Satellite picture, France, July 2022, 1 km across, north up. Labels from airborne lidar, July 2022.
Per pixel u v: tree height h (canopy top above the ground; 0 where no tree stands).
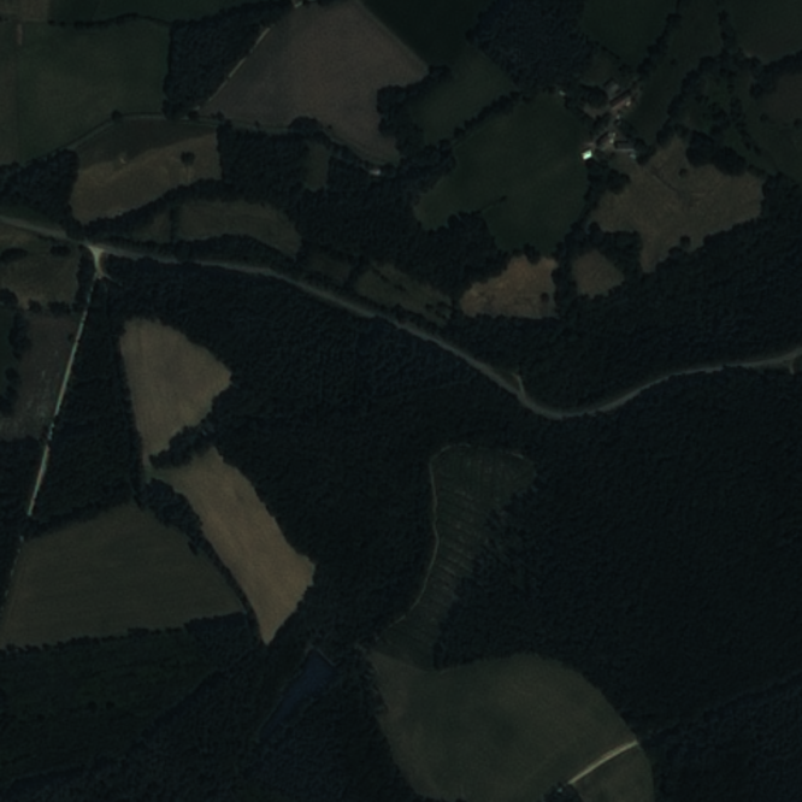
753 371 13
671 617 23
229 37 22
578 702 0
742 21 0
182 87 22
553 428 20
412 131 18
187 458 21
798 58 15
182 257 17
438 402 18
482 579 19
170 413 0
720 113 16
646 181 0
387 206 19
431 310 7
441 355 27
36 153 0
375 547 16
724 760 25
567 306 12
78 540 0
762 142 0
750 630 22
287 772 21
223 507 0
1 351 0
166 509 18
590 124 13
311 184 0
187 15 0
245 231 0
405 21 0
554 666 0
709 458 21
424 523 19
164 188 0
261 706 18
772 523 20
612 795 0
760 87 13
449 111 0
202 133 0
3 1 0
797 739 34
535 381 18
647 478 20
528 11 27
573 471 16
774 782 21
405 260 20
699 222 0
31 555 0
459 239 22
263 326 26
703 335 17
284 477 18
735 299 21
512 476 0
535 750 0
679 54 0
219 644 27
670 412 16
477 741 0
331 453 23
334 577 16
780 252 15
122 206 0
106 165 0
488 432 16
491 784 0
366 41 0
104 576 0
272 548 0
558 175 0
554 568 22
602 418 16
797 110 0
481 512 0
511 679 0
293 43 0
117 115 12
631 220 0
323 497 18
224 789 23
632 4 0
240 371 15
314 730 14
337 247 7
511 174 0
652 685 26
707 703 25
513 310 0
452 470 0
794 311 15
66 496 10
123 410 9
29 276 0
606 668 22
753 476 22
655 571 19
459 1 0
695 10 0
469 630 18
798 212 11
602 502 17
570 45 31
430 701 0
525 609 22
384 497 19
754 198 0
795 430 18
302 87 0
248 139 15
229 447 21
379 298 0
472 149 0
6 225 0
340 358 25
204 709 21
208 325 22
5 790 7
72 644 13
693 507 18
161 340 0
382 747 20
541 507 22
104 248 0
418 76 0
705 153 26
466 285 20
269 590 0
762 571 20
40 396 0
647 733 21
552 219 0
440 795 0
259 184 20
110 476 10
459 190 0
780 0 0
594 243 19
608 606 23
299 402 16
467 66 0
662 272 19
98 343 11
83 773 20
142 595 0
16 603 0
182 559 0
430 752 0
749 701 34
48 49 0
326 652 13
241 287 20
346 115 0
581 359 16
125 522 0
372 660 0
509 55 18
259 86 0
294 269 22
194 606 0
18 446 19
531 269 0
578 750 0
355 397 19
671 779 26
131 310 21
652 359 20
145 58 0
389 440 17
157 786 23
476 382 17
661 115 0
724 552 18
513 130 0
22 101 0
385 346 22
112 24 7
